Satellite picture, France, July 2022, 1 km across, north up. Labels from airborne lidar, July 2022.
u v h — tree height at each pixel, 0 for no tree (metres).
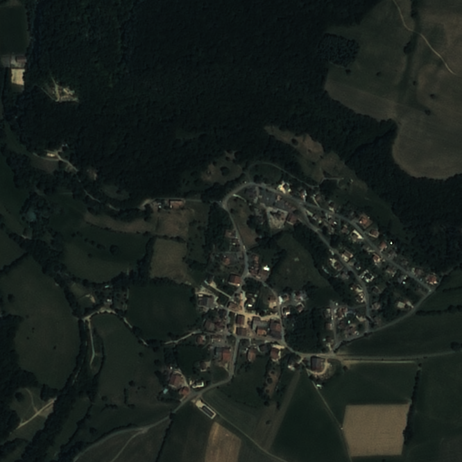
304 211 0
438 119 0
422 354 0
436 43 0
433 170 0
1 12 0
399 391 0
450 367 0
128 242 0
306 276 0
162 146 28
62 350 0
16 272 0
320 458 0
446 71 0
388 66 0
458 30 0
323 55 22
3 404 23
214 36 19
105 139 20
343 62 21
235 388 0
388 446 0
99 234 0
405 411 0
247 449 0
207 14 18
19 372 23
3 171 0
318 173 0
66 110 20
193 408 0
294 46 21
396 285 11
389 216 0
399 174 23
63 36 15
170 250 0
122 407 0
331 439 0
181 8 19
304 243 12
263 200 0
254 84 20
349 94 0
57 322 0
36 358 0
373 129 14
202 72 22
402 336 0
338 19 16
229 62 17
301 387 0
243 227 0
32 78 10
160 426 0
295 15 18
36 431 0
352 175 0
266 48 24
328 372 0
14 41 0
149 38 20
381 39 0
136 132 15
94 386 10
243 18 17
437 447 0
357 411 0
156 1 19
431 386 0
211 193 16
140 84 17
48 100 17
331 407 0
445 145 0
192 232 0
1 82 15
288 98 25
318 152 0
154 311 0
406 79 0
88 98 17
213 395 0
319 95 16
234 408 0
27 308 0
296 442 0
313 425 0
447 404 0
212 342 0
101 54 24
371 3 18
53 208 19
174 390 7
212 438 0
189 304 0
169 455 0
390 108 0
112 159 24
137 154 25
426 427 0
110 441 0
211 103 23
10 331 25
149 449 0
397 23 0
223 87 24
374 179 23
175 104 33
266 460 0
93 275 0
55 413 15
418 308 0
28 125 28
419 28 0
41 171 10
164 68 25
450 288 6
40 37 23
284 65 14
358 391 0
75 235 11
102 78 22
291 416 0
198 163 16
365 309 0
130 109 22
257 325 0
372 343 0
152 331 0
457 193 24
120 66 27
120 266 0
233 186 12
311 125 21
